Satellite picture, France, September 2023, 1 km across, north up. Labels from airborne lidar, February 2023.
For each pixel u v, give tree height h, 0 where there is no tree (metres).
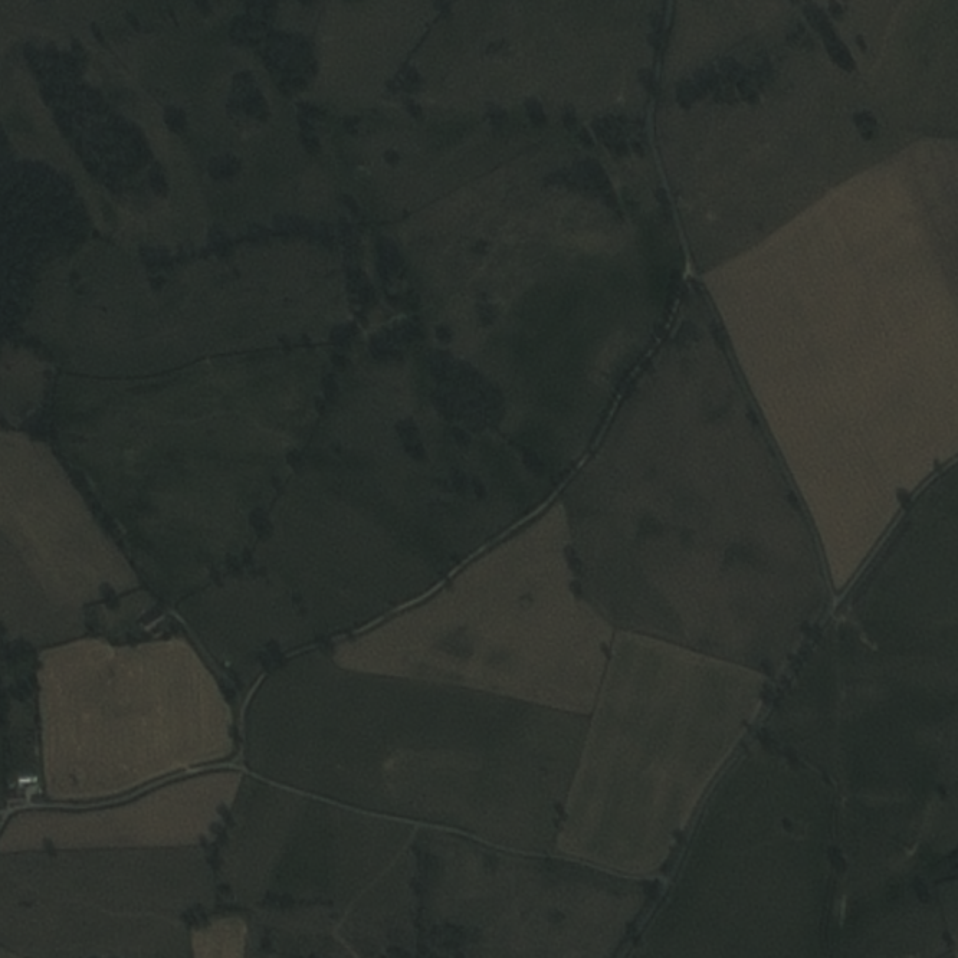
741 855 0
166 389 0
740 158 0
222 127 0
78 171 0
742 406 0
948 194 0
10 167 21
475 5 0
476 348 0
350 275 15
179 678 0
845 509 0
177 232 0
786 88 0
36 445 0
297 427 0
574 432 0
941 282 0
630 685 0
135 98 0
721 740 0
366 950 0
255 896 0
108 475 0
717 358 0
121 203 0
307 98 0
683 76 0
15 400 0
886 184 0
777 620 0
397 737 0
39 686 9
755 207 0
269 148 0
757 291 0
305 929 0
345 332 15
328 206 0
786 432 0
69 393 0
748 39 0
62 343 0
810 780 0
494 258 0
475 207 0
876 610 0
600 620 0
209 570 0
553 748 0
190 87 0
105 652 0
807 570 0
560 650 0
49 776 0
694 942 0
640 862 0
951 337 0
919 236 0
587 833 0
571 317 0
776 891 0
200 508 0
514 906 0
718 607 0
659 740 0
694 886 0
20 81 0
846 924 0
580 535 0
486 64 0
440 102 0
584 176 10
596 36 0
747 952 0
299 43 11
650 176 0
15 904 0
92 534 0
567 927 0
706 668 0
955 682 0
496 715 0
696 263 0
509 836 0
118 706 0
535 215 0
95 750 0
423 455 16
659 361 0
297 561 0
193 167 0
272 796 0
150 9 0
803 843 0
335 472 0
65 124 19
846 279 0
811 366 0
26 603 0
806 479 0
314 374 0
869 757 0
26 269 16
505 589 0
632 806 0
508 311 0
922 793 0
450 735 0
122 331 0
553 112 0
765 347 0
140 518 0
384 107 0
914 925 0
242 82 7
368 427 0
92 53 0
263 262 0
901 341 0
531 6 0
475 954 0
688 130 0
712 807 0
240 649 0
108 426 0
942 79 0
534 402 0
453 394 12
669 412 0
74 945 0
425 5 0
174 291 0
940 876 0
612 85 0
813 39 0
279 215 0
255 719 0
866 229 0
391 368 0
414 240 0
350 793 0
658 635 0
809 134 0
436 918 0
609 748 0
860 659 0
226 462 0
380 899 0
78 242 16
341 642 0
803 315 0
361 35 0
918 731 0
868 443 0
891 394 0
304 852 0
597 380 0
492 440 0
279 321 0
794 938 0
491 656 0
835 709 0
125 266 0
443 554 0
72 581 0
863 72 0
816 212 0
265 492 0
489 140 0
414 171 0
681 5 0
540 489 0
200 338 0
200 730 0
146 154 16
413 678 0
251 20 8
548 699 0
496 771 0
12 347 12
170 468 0
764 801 0
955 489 0
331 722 0
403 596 0
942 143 0
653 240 0
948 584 0
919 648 0
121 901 0
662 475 0
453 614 0
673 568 0
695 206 0
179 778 0
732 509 0
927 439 0
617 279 0
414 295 12
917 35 0
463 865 0
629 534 0
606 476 0
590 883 0
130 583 0
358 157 0
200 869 0
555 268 0
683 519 0
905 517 0
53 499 0
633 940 7
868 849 0
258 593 0
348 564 0
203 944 0
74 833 0
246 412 0
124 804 0
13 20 0
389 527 0
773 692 10
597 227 0
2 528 0
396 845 0
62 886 0
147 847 0
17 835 0
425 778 0
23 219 21
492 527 0
